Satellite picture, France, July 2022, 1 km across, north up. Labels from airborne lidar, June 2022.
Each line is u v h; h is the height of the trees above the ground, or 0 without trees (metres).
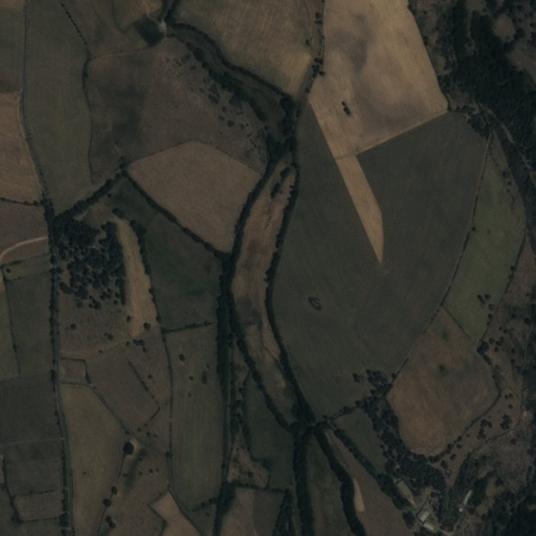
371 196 0
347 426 0
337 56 0
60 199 0
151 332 0
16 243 0
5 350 0
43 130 0
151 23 0
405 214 0
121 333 0
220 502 10
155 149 0
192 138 0
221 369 15
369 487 0
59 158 0
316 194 0
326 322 0
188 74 0
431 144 0
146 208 0
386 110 0
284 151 11
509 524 16
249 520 0
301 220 0
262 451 0
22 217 0
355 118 0
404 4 0
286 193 0
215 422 0
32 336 0
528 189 9
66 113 0
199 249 0
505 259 0
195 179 0
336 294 0
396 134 0
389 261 0
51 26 0
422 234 0
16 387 0
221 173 0
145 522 0
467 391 0
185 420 0
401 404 0
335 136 0
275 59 0
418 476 16
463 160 0
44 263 0
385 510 0
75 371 0
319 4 0
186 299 0
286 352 6
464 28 19
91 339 0
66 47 0
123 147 0
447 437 0
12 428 0
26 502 0
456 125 0
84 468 0
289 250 0
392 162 0
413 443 0
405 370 0
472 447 0
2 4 0
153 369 0
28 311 0
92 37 0
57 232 14
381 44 0
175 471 0
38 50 0
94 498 0
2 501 0
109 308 0
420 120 0
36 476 0
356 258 0
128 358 0
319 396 0
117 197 0
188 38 0
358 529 22
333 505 0
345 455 0
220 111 0
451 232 0
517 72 7
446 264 0
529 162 8
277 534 13
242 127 0
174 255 0
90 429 0
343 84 0
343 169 0
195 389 0
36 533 0
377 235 0
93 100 0
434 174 0
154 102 0
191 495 0
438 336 0
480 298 11
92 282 17
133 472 0
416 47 0
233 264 13
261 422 0
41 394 0
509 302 0
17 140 0
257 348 0
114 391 0
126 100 0
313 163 0
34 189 0
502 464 0
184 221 0
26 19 0
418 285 0
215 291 0
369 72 0
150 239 0
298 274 0
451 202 0
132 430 0
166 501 0
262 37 0
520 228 0
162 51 0
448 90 8
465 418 0
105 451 0
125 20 0
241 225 13
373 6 0
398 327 0
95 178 0
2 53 0
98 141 0
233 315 19
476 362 0
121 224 0
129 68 0
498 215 0
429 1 0
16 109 0
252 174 0
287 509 18
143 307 0
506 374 0
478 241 0
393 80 0
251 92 0
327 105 0
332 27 0
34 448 0
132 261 0
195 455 0
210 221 0
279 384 0
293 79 0
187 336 0
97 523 0
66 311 0
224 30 0
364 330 0
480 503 13
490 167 0
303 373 0
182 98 0
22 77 0
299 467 18
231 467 0
